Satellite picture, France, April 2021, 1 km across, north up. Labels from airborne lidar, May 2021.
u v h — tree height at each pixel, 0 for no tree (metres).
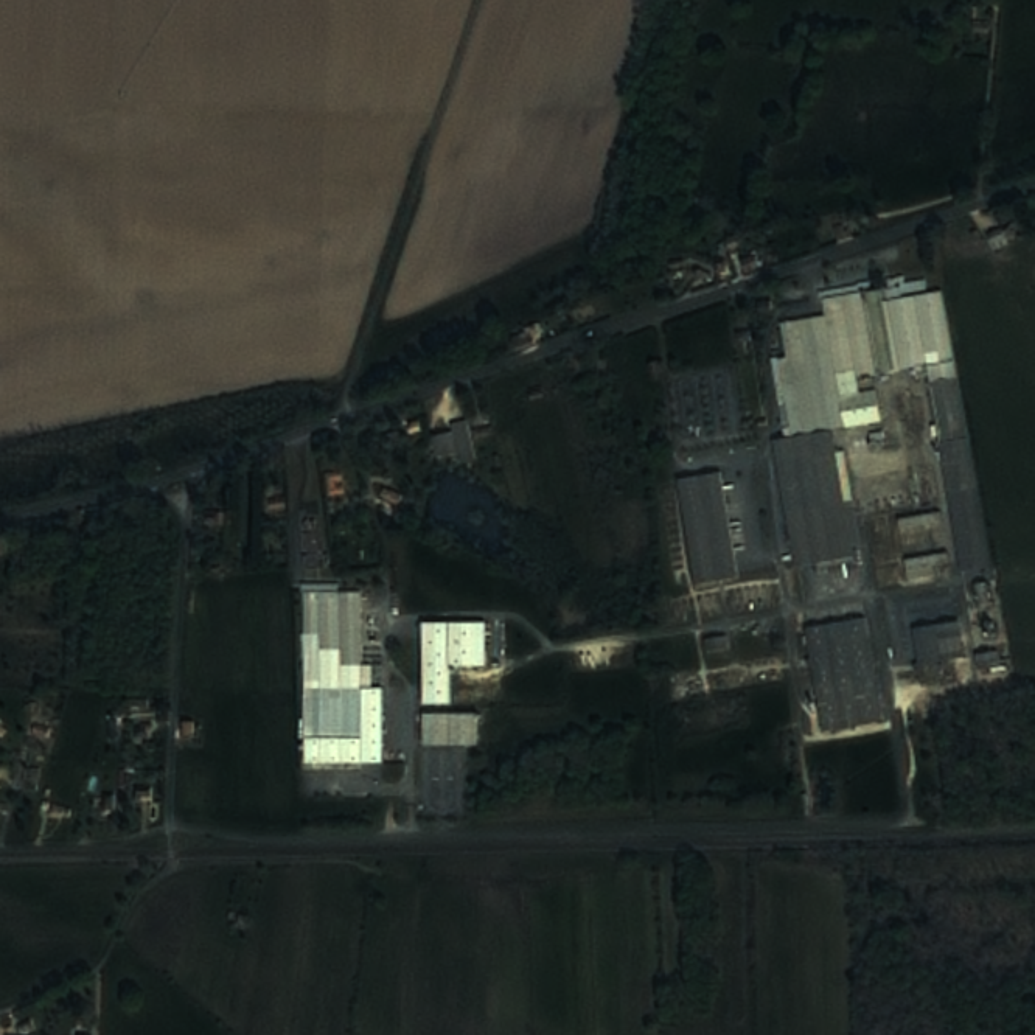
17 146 0
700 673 0
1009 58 0
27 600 8
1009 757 21
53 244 0
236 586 0
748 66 0
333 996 0
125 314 0
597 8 0
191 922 0
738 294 0
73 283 0
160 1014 0
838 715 0
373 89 0
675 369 11
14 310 0
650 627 15
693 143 10
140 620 9
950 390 0
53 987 17
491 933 0
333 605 0
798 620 0
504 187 0
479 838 0
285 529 11
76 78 0
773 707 0
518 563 21
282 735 0
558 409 0
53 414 0
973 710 18
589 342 17
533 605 0
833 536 0
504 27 0
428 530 6
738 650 0
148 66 0
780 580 0
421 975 0
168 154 0
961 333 0
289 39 0
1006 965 15
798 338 0
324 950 0
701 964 20
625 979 0
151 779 8
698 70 0
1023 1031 19
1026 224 11
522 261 0
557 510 0
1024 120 0
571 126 0
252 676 0
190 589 0
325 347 0
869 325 0
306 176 0
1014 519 0
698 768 0
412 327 0
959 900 17
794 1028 0
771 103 0
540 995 0
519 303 0
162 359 0
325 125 0
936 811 10
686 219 23
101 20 0
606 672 0
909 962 13
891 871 10
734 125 0
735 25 0
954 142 0
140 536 20
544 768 19
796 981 0
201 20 0
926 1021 11
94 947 0
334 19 0
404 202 0
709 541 0
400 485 0
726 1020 0
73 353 0
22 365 0
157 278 0
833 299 0
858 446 0
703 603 0
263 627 0
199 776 0
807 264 0
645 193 20
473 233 0
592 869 0
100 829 7
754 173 21
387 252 0
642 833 0
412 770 0
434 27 0
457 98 0
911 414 0
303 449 0
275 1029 0
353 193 0
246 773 0
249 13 0
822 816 12
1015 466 0
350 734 0
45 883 0
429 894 0
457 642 0
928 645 0
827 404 0
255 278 0
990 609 0
